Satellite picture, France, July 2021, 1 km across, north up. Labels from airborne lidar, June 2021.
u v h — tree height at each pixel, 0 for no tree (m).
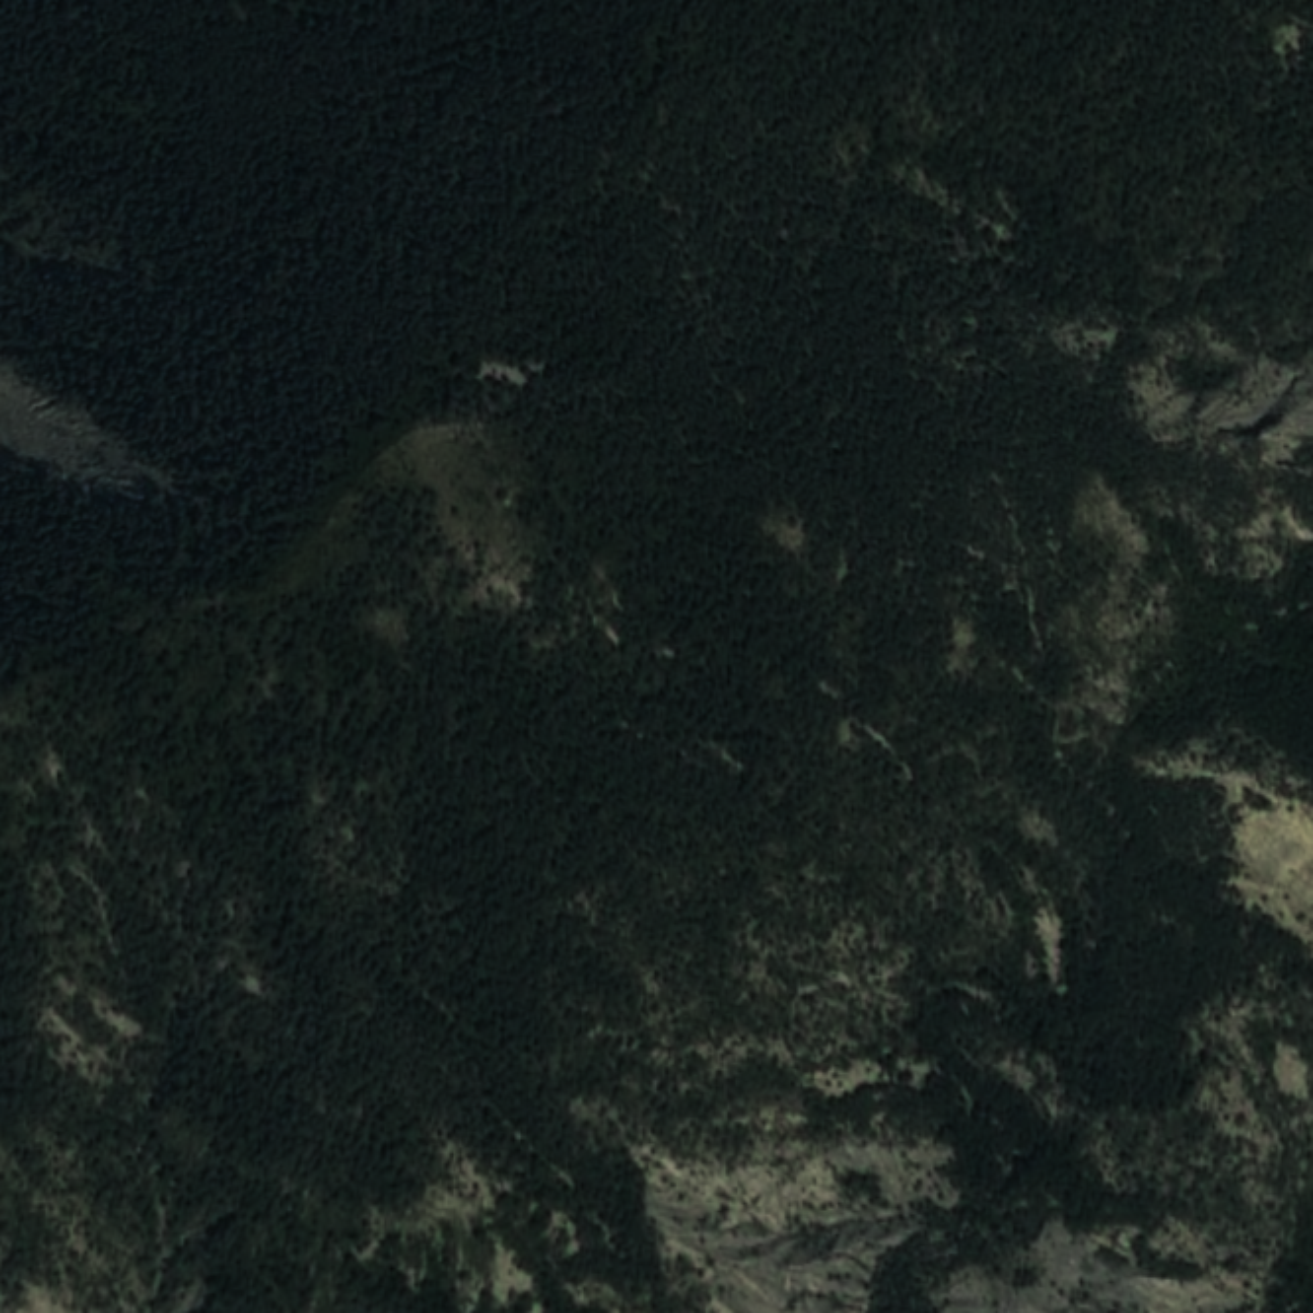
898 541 11
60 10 18
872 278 14
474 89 16
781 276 13
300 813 7
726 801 15
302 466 13
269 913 11
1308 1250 6
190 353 15
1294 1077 0
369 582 15
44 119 15
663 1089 9
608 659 6
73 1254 6
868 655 11
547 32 8
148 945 12
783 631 13
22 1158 6
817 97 16
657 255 13
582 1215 10
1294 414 0
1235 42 13
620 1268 10
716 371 14
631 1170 8
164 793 8
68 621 10
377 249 19
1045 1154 21
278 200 12
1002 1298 0
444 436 0
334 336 15
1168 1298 0
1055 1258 0
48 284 19
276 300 17
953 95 15
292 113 14
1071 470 5
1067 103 13
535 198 8
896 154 9
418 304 12
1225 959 14
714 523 9
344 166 7
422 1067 12
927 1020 13
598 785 9
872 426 14
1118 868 9
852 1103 8
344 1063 12
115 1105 12
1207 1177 8
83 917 8
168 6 12
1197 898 10
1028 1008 14
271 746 11
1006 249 13
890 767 11
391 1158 12
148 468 9
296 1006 16
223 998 10
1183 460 7
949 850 7
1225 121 9
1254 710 8
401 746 11
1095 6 17
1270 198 9
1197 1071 7
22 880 7
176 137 8
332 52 16
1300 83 9
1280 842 0
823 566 11
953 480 12
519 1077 8
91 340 22
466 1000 16
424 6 11
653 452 14
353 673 7
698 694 11
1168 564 8
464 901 8
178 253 17
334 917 7
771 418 15
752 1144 6
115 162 12
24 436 0
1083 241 14
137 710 15
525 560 7
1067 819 8
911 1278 8
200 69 14
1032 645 8
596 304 17
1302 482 6
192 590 9
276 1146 9
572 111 12
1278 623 9
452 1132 8
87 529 13
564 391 14
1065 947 14
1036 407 8
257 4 12
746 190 13
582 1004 6
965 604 8
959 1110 13
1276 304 9
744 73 13
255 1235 6
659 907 7
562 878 14
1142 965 10
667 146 14
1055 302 9
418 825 14
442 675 15
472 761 15
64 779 7
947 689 9
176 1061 8
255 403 17
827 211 16
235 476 11
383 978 14
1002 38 16
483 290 13
